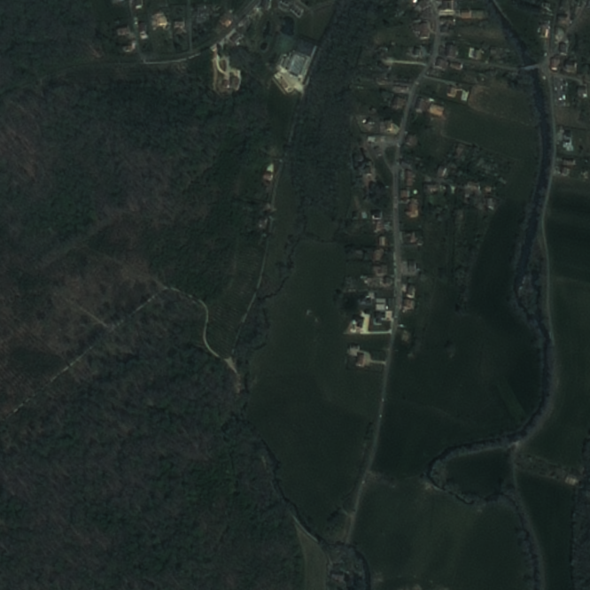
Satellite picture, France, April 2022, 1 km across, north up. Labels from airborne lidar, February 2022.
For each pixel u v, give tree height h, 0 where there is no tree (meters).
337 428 0
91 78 0
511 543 0
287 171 22
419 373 0
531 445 0
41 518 28
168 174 32
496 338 0
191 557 28
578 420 0
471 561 0
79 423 21
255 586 21
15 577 32
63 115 26
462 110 0
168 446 33
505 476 0
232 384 27
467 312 11
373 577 0
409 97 0
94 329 29
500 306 0
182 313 31
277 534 22
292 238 10
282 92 0
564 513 0
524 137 0
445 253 0
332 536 7
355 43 22
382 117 0
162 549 30
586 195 0
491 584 0
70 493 29
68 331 0
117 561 31
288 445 0
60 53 30
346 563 9
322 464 0
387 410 0
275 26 0
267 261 0
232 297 0
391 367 0
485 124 0
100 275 0
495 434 0
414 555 0
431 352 0
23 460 27
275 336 0
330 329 0
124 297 0
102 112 25
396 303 0
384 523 0
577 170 0
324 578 0
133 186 28
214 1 16
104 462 31
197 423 28
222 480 18
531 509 0
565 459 0
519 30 0
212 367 26
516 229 0
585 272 0
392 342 0
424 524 0
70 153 26
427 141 0
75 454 26
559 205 0
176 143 31
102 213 22
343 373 0
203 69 6
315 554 0
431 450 0
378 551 0
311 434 0
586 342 0
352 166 8
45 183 28
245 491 19
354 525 0
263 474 36
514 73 8
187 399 32
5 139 29
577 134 0
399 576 0
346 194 0
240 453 26
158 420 31
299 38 0
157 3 0
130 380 31
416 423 0
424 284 0
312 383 0
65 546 30
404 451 0
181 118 21
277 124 0
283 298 0
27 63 30
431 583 0
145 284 0
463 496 9
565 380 0
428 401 0
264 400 0
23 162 30
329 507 0
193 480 26
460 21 6
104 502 29
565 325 0
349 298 0
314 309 0
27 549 29
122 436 29
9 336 16
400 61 0
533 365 0
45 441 28
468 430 0
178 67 0
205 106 27
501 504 24
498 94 0
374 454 0
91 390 12
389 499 0
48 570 28
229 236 11
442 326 0
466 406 0
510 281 0
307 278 0
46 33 28
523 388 0
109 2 0
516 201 0
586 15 0
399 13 5
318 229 0
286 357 0
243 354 28
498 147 0
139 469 29
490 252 0
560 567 0
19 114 29
